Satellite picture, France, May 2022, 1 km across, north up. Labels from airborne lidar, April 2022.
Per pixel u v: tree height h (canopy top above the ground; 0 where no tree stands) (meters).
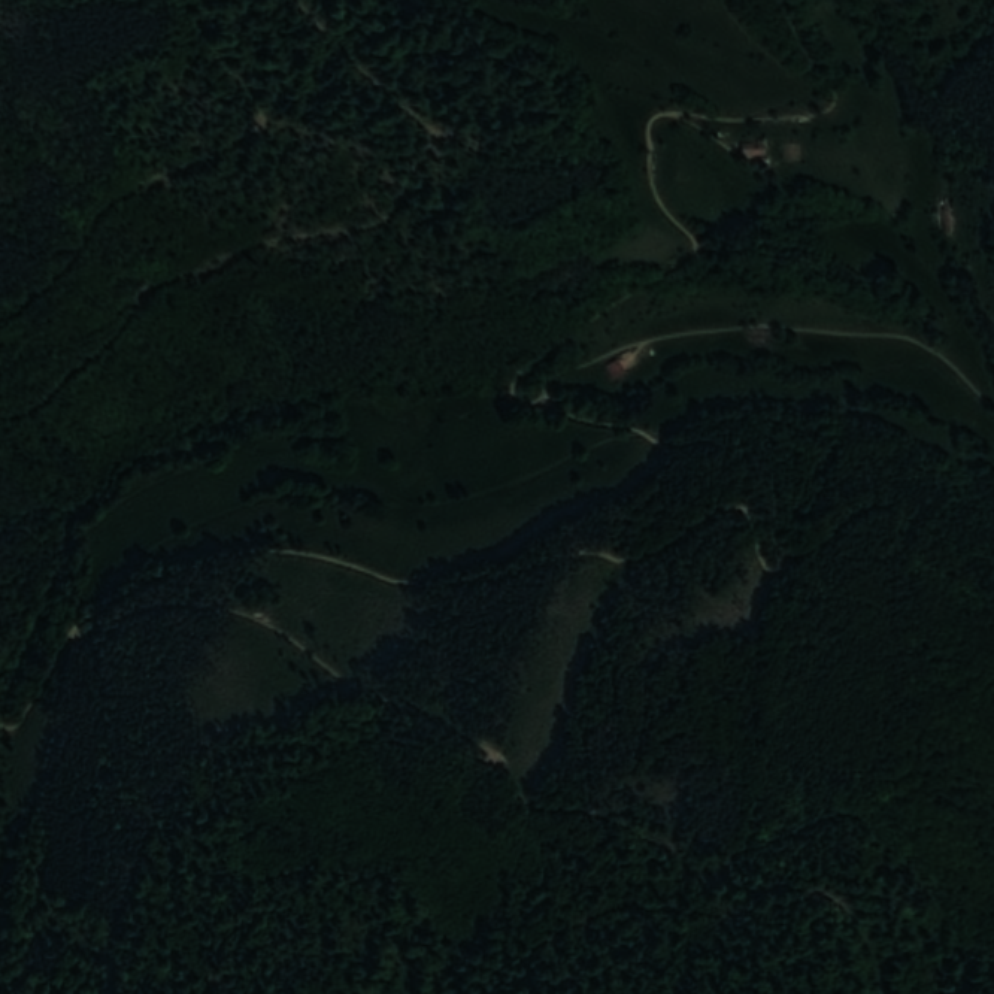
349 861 12
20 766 0
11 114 23
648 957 17
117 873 25
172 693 24
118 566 0
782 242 27
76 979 26
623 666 20
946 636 24
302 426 21
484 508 0
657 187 0
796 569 21
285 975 9
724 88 0
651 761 19
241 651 0
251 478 0
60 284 19
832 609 19
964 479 14
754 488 19
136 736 21
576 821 15
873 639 16
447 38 44
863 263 0
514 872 10
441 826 13
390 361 11
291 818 13
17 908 32
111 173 20
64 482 15
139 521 0
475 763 12
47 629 29
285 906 8
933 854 18
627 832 10
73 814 15
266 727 24
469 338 20
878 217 22
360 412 0
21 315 19
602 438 0
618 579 0
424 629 26
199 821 11
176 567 19
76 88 22
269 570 0
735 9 11
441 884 16
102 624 28
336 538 0
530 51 24
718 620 0
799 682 20
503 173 15
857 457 16
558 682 0
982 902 19
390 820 13
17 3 20
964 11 15
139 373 18
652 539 23
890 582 22
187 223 17
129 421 8
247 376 20
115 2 24
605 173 29
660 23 0
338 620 0
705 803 24
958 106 23
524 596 25
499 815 16
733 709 25
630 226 21
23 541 21
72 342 14
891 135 0
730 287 20
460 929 12
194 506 0
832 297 12
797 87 0
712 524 18
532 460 0
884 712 15
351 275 13
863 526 17
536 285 21
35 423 20
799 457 27
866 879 11
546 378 17
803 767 17
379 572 0
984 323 25
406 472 0
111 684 23
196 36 15
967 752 27
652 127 0
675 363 14
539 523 0
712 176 0
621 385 0
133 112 7
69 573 27
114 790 27
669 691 19
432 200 38
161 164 11
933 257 0
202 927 10
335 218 10
